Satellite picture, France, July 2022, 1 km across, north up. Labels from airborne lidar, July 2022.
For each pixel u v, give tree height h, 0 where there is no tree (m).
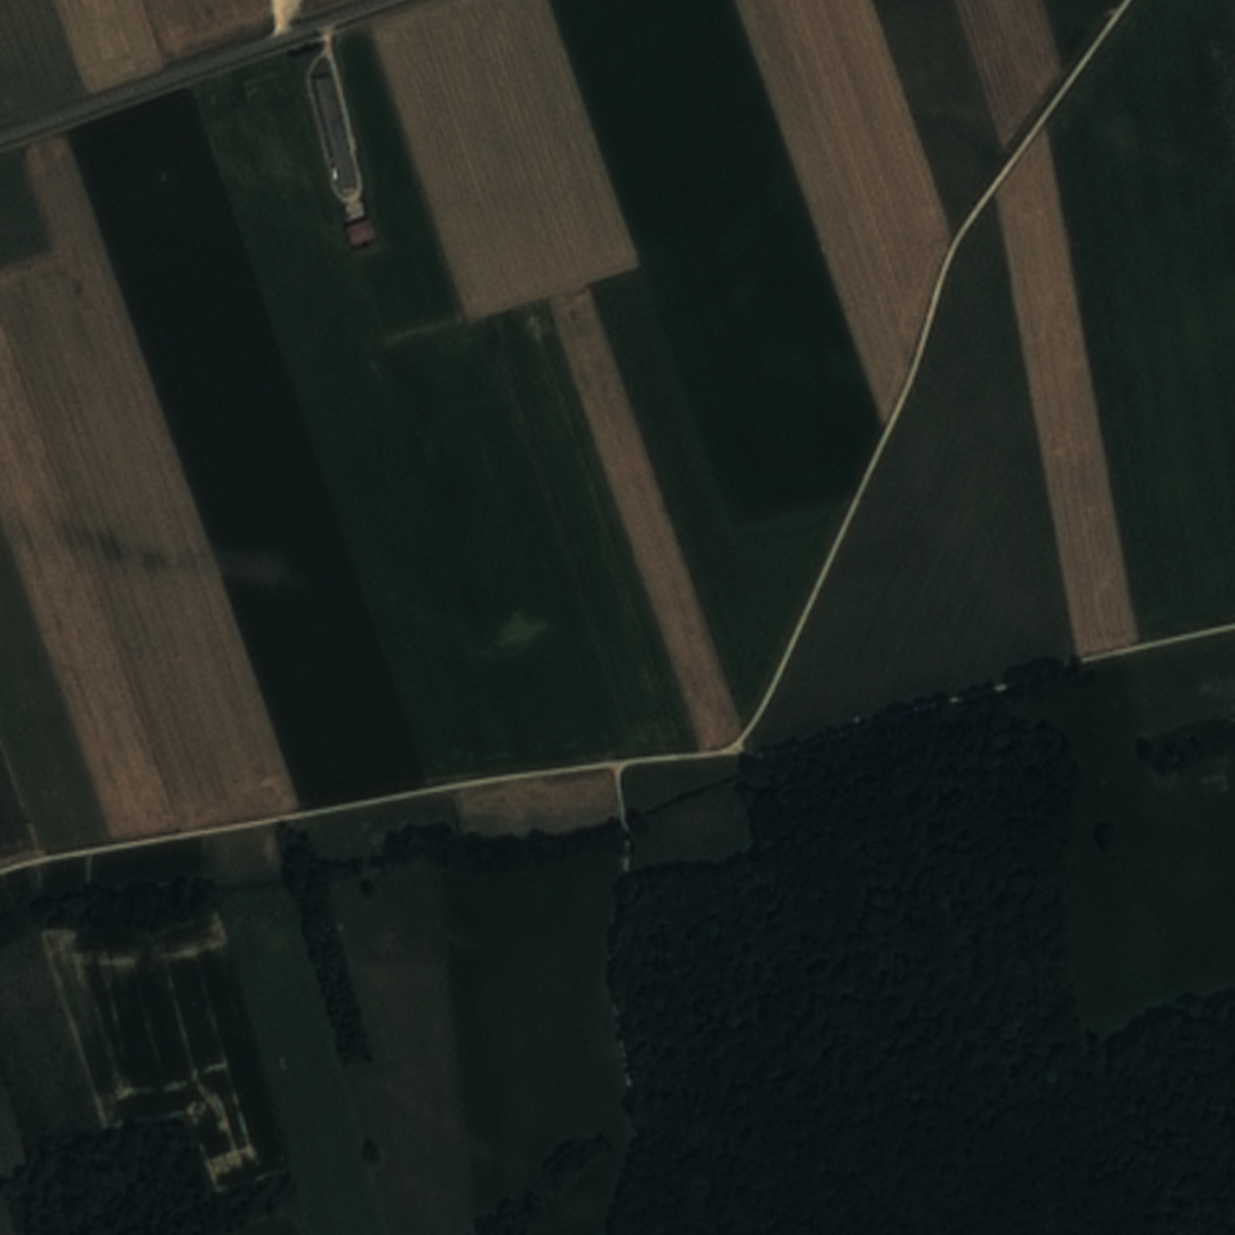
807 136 0
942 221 0
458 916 0
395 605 0
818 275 0
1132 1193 24
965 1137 23
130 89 0
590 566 0
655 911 19
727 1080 18
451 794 0
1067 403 0
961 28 0
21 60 0
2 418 0
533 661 0
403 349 0
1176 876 0
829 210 0
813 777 25
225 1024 0
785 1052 20
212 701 0
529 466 0
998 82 0
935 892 25
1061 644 0
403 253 0
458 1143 0
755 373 0
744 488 0
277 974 0
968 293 0
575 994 0
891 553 0
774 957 19
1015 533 0
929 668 0
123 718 0
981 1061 16
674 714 0
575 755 0
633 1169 13
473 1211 0
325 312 0
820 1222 21
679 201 0
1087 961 0
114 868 0
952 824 18
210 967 0
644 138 0
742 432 0
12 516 0
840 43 0
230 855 0
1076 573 0
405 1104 0
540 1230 0
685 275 0
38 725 0
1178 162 0
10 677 0
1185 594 0
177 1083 0
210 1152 0
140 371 0
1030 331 0
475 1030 0
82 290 0
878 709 0
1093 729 0
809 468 0
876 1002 21
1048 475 0
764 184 0
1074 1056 22
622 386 0
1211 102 0
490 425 0
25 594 0
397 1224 0
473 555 0
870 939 21
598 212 0
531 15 0
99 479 0
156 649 0
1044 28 0
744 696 0
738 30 0
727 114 0
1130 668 0
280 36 0
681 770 0
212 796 0
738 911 19
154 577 0
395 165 0
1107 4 0
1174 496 0
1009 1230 20
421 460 0
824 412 0
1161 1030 20
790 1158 19
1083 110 0
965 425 0
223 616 0
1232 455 0
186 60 0
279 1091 0
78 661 0
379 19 0
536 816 0
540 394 0
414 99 0
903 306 0
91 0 0
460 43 0
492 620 0
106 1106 0
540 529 0
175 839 0
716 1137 24
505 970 0
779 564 0
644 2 0
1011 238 0
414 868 0
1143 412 0
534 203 0
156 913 19
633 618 0
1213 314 0
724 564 0
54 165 0
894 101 0
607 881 0
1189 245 0
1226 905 0
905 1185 22
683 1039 22
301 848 10
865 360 0
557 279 0
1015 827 22
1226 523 0
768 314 0
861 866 22
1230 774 0
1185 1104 20
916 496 0
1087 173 0
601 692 0
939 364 0
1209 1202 19
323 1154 0
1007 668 0
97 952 0
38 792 0
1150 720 0
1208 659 0
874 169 0
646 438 0
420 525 0
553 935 0
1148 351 0
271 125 0
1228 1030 22
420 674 0
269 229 0
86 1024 0
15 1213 6
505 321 0
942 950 25
